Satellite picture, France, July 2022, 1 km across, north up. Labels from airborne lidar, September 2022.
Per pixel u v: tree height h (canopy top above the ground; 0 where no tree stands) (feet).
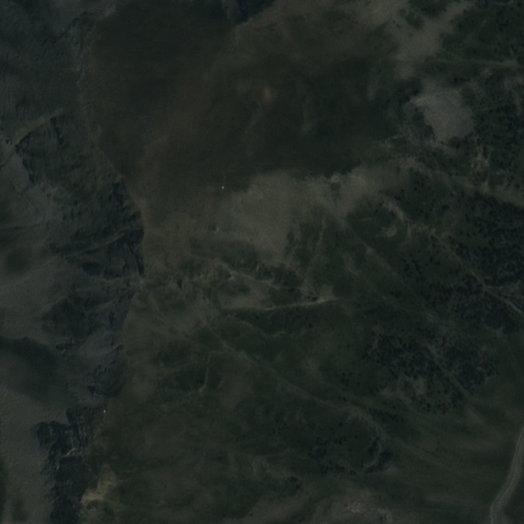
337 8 0
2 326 0
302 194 0
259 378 0
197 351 0
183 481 0
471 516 0
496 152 0
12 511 0
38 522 0
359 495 0
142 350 0
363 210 0
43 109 0
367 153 0
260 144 0
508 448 0
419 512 0
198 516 0
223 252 0
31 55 0
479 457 0
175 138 0
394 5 0
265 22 0
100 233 0
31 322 0
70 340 0
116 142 0
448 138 0
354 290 0
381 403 0
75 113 0
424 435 0
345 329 0
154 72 0
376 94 0
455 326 0
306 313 0
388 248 0
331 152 0
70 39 0
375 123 0
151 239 0
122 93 0
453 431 0
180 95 0
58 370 0
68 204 0
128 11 0
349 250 0
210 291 0
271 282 0
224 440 0
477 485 0
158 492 0
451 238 40
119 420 0
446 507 0
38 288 0
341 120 0
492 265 33
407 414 0
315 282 0
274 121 0
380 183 0
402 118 0
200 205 0
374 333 22
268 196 0
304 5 0
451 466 0
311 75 0
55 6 0
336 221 0
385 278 0
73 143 0
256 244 0
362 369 0
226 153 0
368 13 0
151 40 0
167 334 0
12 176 0
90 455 0
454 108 0
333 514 0
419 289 0
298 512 0
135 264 0
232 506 0
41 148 0
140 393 0
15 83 0
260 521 0
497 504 0
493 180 0
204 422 0
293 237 0
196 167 0
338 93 0
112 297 0
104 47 0
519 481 0
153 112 0
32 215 0
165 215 0
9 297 0
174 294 0
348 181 0
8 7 0
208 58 0
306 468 0
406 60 0
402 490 0
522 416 0
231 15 0
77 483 0
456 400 22
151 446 0
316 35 0
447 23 0
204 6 0
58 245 0
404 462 0
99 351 0
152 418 0
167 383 0
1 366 0
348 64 0
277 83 0
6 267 0
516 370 0
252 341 0
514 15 0
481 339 0
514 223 20
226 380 0
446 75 0
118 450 0
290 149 0
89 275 30
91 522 0
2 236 0
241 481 0
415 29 0
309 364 0
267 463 0
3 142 0
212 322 0
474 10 0
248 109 0
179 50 0
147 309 0
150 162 0
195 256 0
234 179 0
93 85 0
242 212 0
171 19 0
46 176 0
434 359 26
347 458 0
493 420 0
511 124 32
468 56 0
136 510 0
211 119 0
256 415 0
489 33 0
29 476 0
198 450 0
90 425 0
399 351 34
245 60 0
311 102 0
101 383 0
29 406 0
